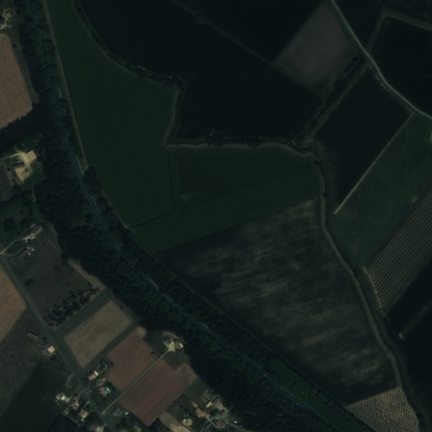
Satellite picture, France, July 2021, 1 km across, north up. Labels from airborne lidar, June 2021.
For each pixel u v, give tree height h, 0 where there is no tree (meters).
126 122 0
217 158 0
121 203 0
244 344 26
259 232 0
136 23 0
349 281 0
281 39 0
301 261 0
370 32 0
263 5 0
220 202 0
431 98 0
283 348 0
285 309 0
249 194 0
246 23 0
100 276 11
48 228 0
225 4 0
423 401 0
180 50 0
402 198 0
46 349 0
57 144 17
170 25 0
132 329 0
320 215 0
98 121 0
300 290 0
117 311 0
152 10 0
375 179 0
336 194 0
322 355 0
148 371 0
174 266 0
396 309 0
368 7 0
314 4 0
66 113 6
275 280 0
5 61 0
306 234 0
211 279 0
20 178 0
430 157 0
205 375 11
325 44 0
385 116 0
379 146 0
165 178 0
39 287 0
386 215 0
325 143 0
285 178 0
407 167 0
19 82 0
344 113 0
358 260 0
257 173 0
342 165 0
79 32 0
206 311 20
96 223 11
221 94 0
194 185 0
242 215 0
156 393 0
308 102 0
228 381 22
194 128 0
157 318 16
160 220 0
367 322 0
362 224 0
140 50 0
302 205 0
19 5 17
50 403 0
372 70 0
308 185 0
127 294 25
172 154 0
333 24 0
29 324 0
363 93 0
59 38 0
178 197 0
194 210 0
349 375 0
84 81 0
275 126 0
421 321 0
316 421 40
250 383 26
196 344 22
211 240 0
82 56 0
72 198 25
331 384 0
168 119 0
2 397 0
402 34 0
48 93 24
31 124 18
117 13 0
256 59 0
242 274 0
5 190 0
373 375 0
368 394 0
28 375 0
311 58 0
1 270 0
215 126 0
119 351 0
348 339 0
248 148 0
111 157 0
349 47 0
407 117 0
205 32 0
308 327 0
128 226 0
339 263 0
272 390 39
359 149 0
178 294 35
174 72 0
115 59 9
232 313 0
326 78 0
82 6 0
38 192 20
